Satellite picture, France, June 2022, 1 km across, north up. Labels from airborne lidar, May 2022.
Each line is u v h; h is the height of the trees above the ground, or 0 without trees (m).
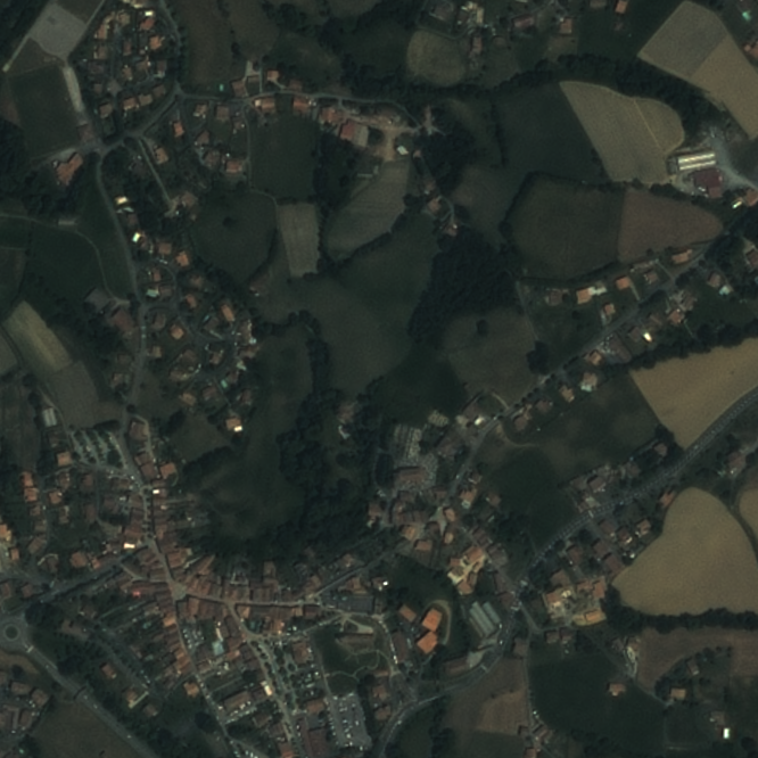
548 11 0
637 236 0
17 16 17
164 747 23
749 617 13
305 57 0
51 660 0
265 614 0
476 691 0
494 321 0
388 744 0
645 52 0
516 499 0
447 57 0
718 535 0
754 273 7
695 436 0
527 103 0
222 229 0
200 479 0
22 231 0
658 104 0
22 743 7
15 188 19
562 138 0
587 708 0
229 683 0
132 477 0
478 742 0
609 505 0
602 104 0
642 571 0
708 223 0
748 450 0
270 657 0
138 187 9
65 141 0
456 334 0
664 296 13
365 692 9
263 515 0
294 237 0
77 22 0
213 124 0
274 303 0
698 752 0
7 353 0
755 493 0
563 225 0
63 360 0
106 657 11
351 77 17
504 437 0
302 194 0
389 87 24
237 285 13
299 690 0
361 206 0
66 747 0
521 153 0
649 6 0
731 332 17
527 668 0
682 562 0
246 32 0
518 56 0
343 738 0
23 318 0
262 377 16
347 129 0
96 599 7
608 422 0
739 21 0
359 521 15
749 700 0
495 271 19
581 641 13
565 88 0
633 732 0
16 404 0
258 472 0
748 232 18
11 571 0
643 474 6
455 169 21
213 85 0
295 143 0
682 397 0
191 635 0
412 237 0
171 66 6
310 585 0
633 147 0
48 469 9
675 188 12
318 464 28
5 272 0
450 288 21
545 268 0
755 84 0
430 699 0
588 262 0
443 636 6
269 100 0
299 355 0
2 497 6
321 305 0
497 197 0
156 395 0
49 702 9
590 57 17
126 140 9
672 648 0
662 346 12
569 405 0
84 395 0
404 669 13
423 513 0
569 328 0
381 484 15
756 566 0
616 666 0
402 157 0
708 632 0
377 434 21
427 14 10
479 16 0
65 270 0
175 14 8
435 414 0
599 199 0
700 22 0
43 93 0
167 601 0
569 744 0
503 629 0
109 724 0
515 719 0
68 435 0
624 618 28
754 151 0
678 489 9
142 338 0
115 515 7
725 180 0
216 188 12
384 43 0
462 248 23
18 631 0
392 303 0
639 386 0
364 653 0
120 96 9
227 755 0
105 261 0
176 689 0
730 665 0
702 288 0
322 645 0
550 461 0
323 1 8
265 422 0
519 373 0
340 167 0
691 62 0
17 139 27
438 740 13
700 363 0
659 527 10
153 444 0
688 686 8
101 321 8
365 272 0
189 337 0
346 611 0
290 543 10
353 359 0
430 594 0
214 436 0
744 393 0
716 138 0
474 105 0
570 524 0
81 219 0
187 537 5
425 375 0
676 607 0
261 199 0
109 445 6
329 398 21
